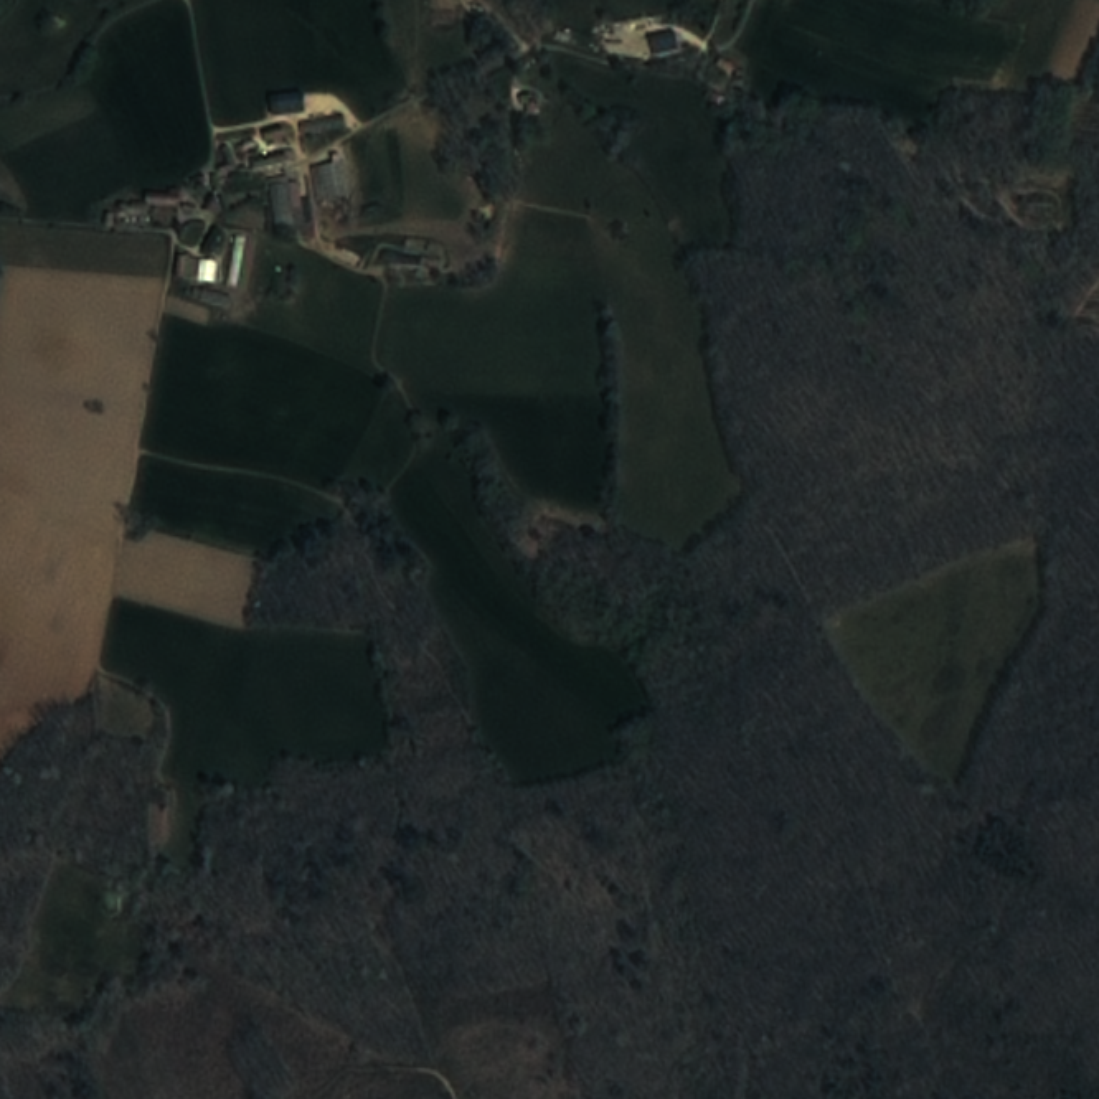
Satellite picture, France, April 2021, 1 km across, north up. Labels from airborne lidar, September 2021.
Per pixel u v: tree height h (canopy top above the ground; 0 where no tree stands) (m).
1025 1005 17
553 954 13
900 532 22
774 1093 17
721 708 17
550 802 15
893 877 15
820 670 15
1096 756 0
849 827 16
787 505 20
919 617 0
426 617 15
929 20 0
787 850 20
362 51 0
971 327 21
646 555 17
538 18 22
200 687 0
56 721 19
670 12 10
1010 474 20
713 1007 17
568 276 0
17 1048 20
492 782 9
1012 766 0
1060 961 18
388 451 0
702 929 18
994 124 20
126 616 0
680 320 0
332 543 24
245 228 0
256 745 0
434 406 0
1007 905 0
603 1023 13
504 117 19
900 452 22
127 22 0
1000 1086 9
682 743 18
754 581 23
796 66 0
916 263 20
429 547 0
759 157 19
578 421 0
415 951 20
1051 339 27
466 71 12
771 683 18
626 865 20
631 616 22
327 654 0
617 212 0
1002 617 0
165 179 0
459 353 0
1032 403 19
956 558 18
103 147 0
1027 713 0
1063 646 0
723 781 18
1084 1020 15
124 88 0
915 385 20
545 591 17
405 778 7
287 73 0
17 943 19
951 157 21
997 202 13
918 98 0
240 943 20
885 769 0
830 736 17
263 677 0
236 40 0
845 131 20
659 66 10
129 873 22
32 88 0
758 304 20
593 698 0
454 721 6
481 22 17
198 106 0
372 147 0
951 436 20
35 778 19
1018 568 0
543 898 14
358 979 23
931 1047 12
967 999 11
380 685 8
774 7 0
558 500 0
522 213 0
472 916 20
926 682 0
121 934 0
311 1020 22
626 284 0
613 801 14
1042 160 25
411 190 0
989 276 20
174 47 0
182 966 22
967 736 0
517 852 22
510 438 0
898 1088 14
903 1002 11
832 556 23
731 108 10
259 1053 19
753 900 18
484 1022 7
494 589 0
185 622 0
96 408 10
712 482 0
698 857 16
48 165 0
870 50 0
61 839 21
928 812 0
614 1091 19
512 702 0
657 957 25
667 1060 14
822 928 19
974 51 0
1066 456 18
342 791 7
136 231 0
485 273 14
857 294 22
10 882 15
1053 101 28
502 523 19
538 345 0
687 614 18
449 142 15
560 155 0
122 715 0
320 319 0
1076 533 19
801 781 21
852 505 24
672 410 0
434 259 0
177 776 0
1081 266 21
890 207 21
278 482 0
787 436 18
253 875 24
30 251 0
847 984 18
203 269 0
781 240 20
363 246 0
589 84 0
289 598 18
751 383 18
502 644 0
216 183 0
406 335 0
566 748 0
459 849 25
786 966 18
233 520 0
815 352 19
